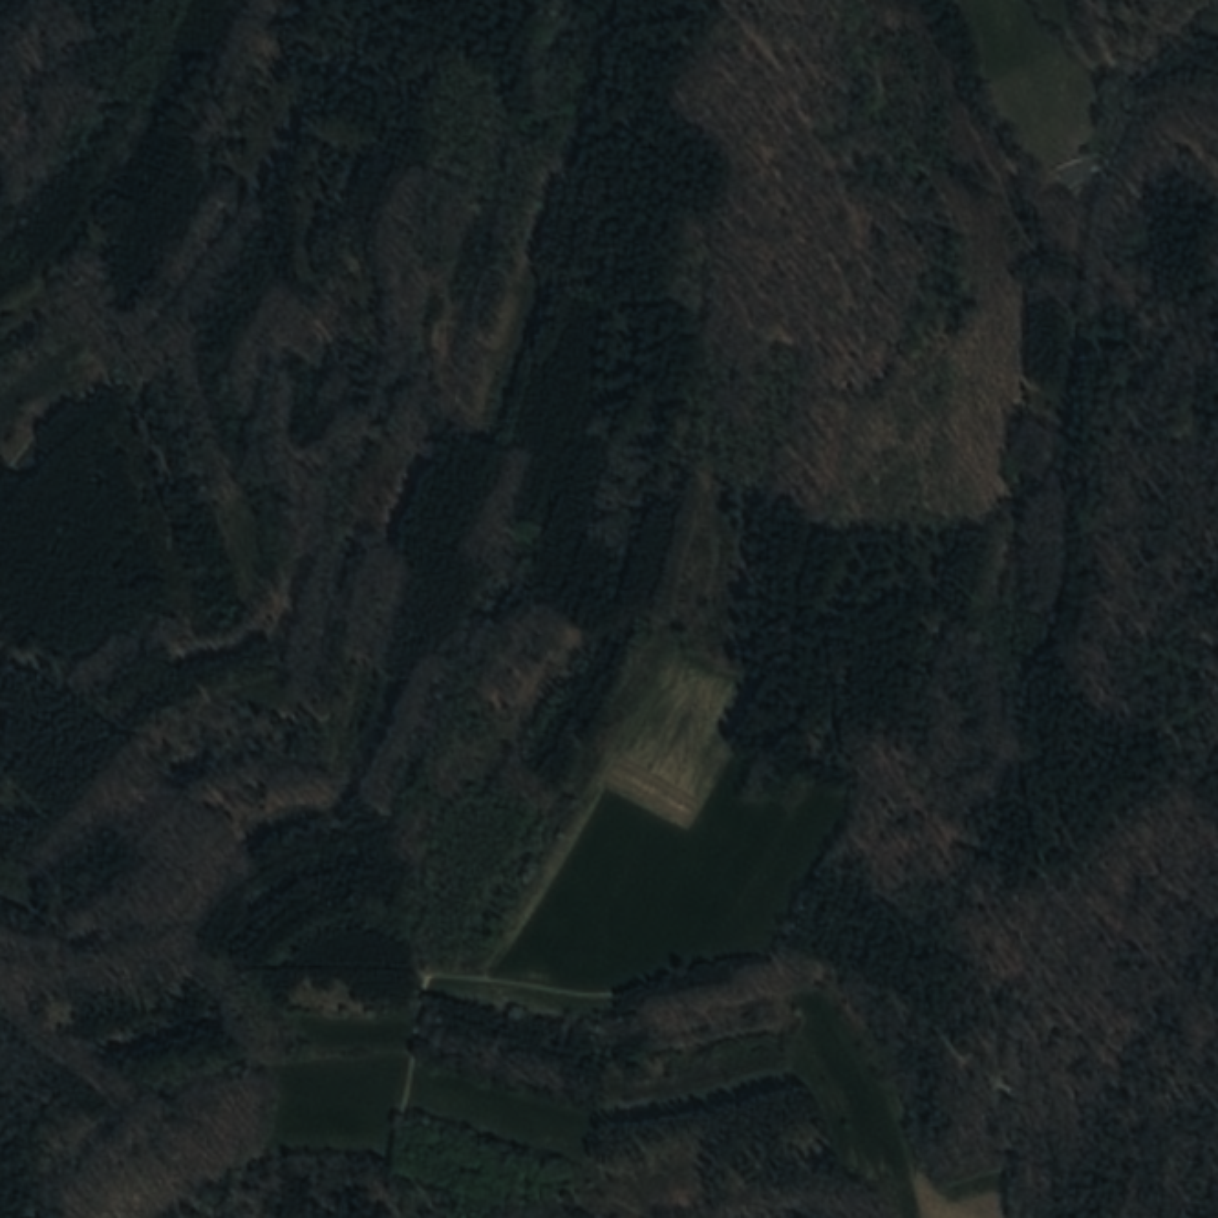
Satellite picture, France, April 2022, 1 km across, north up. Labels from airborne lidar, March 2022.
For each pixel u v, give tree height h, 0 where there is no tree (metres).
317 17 29
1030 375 19
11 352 9
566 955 0
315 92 31
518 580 24
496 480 22
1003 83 0
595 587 20
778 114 28
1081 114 0
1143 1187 28
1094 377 29
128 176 15
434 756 25
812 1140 33
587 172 29
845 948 22
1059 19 0
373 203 21
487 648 26
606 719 23
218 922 19
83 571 17
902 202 27
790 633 32
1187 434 20
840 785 21
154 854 31
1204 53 18
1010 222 16
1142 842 31
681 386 34
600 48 14
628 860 0
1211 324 19
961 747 27
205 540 19
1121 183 26
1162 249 21
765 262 31
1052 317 28
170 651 23
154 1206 27
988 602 28
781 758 32
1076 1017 31
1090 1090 27
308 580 0
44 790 24
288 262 15
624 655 25
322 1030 0
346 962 16
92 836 28
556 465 17
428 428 28
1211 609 26
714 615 21
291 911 20
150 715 18
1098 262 27
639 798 0
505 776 14
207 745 19
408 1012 14
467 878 19
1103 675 29
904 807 27
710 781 0
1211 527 28
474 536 23
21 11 26
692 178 33
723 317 28
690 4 30
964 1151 28
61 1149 16
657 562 24
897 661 25
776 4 29
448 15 32
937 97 14
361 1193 6
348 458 27
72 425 15
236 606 11
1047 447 33
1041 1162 25
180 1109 27
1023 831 23
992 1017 26
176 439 15
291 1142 0
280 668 17
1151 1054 23
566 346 18
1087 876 26
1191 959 34
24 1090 21
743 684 0
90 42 27
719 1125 29
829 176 30
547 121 23
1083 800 26
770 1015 25
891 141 28
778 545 26
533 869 15
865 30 25
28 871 23
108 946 27
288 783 29
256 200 23
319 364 22
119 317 29
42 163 29
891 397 26
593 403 12
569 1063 16
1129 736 28
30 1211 11
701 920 0
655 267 32
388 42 31
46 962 24
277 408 25
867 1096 0
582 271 30
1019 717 27
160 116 12
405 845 25
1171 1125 27
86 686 26
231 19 7
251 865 23
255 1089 26
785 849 0
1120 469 29
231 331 29
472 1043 14
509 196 24
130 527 15
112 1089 29
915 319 27
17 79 32
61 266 11
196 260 24
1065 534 29
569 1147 0
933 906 22
